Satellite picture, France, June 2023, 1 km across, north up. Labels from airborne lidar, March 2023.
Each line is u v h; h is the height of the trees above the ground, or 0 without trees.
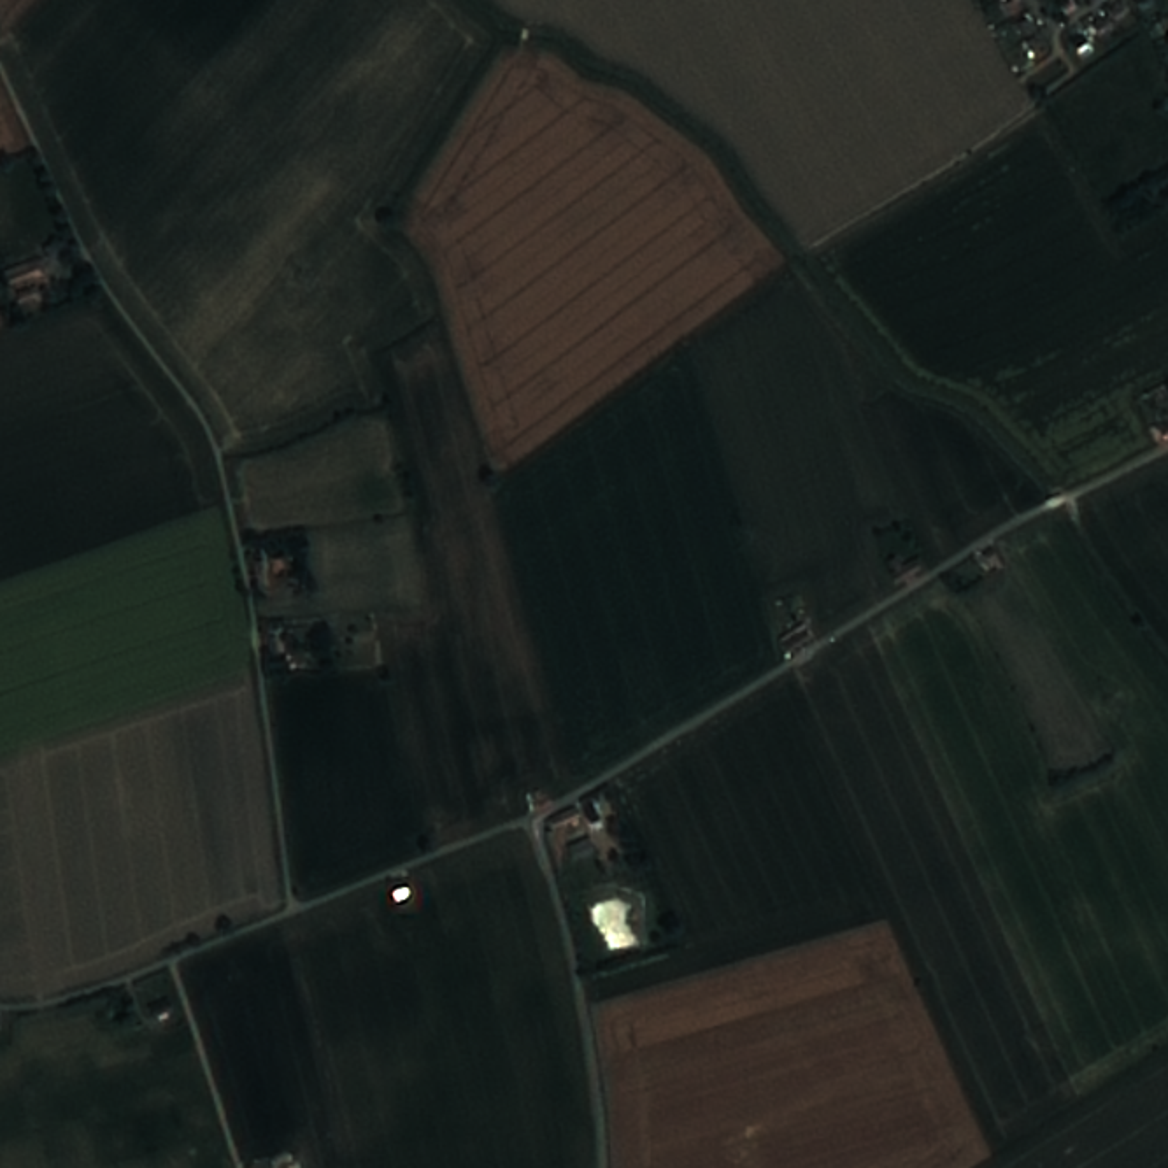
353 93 0
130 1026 10
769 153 0
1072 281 0
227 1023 0
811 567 0
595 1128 0
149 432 0
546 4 0
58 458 0
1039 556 0
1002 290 0
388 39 0
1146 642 0
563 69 0
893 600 0
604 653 0
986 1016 0
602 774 0
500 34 0
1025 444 0
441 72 0
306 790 0
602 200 0
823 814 0
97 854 0
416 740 0
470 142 0
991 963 0
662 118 0
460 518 0
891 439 0
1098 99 0
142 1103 0
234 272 0
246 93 0
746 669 0
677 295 0
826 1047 0
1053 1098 0
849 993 0
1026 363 0
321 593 0
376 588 0
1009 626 0
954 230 0
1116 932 0
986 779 0
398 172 0
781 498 0
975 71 0
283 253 0
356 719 0
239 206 0
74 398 0
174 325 0
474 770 0
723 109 0
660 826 0
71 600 0
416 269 0
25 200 0
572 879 0
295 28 0
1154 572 0
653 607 0
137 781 0
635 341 0
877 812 0
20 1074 0
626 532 0
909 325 0
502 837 0
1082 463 0
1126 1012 0
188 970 0
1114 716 0
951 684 0
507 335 0
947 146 0
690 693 0
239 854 0
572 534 0
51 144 0
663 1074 0
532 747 0
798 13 0
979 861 0
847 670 0
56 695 0
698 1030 0
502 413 0
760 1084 0
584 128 0
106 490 0
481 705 0
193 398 0
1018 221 0
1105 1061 0
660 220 0
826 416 0
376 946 0
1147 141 0
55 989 0
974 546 0
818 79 0
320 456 0
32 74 0
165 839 0
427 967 0
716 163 0
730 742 0
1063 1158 0
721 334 0
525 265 0
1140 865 0
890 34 0
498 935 0
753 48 0
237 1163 0
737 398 0
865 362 0
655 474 0
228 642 0
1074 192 0
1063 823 0
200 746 0
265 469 0
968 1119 0
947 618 0
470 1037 0
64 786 0
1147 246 0
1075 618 0
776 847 0
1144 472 0
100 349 0
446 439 0
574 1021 0
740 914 0
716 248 0
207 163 0
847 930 0
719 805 0
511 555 0
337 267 0
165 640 0
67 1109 0
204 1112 0
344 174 0
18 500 0
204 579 0
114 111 0
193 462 0
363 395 0
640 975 0
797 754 0
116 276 0
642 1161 0
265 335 0
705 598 0
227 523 0
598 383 0
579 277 0
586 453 0
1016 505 0
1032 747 0
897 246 0
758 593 0
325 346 0
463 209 0
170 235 0
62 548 0
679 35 0
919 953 0
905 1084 0
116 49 0
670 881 0
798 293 0
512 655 0
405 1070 0
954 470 0
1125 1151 0
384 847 0
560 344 0
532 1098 0
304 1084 0
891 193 0
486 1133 0
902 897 0
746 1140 0
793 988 0
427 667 0
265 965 0
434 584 0
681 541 0
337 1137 0
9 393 0
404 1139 0
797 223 0
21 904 0
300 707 0
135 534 0
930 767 0
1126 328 0
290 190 0
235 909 0
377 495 0
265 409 0
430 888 0
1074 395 0
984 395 0
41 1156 0
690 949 0
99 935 0
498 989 0
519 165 0
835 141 0
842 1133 0
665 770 0
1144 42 0
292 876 0
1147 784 0
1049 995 0
